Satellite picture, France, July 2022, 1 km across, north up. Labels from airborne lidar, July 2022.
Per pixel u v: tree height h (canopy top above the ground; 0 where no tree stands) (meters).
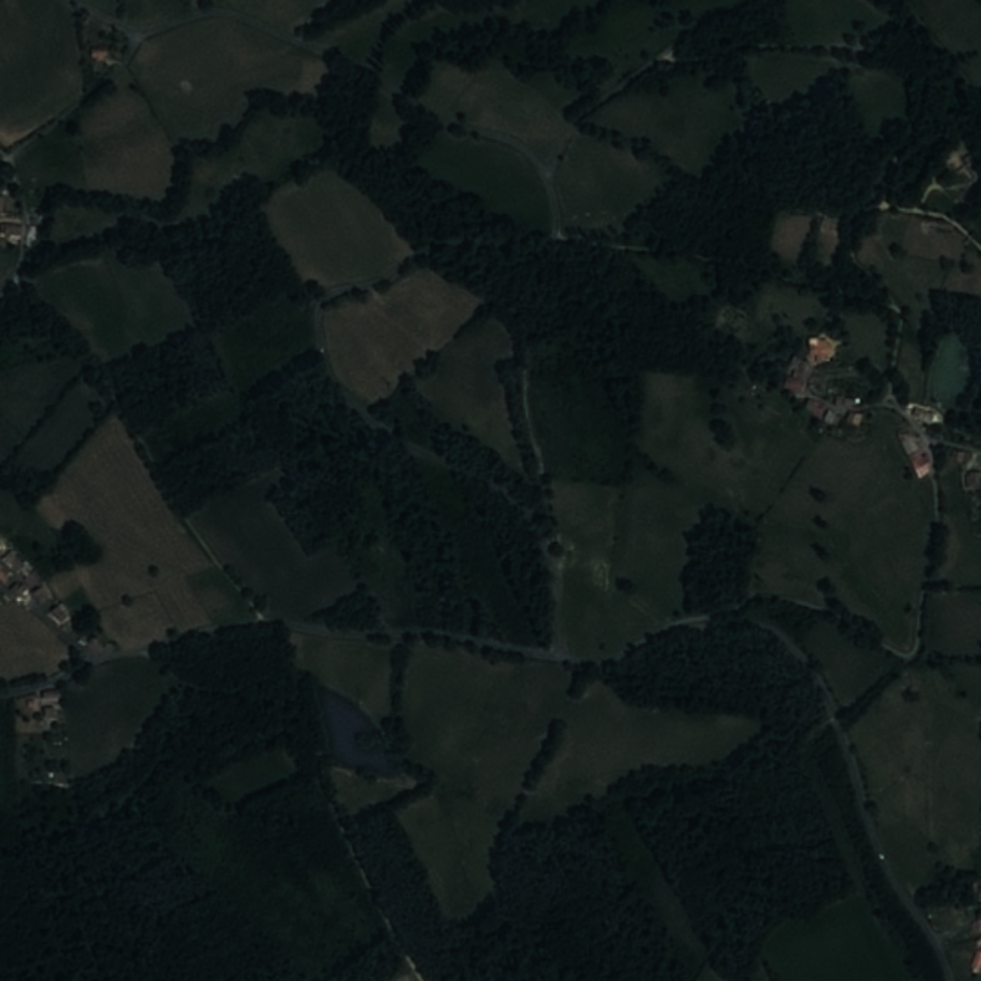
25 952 12
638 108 0
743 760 28
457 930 29
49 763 8
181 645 16
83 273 0
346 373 0
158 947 21
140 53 0
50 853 22
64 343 12
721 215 17
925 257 0
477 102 0
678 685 11
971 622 0
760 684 15
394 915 26
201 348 22
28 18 0
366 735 6
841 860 17
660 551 0
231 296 22
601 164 0
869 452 0
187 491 16
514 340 7
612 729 0
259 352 0
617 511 0
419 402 17
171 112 0
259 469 21
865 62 20
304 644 0
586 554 0
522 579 18
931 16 0
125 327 0
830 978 0
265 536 0
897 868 0
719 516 21
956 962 0
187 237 18
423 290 0
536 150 0
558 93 0
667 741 0
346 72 21
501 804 0
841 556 0
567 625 0
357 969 27
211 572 0
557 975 24
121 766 18
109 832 26
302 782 17
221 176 0
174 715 19
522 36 16
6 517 0
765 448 0
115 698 0
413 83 17
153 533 0
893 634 0
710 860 13
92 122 0
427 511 10
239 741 22
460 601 24
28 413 0
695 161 0
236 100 0
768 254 13
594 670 15
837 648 0
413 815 0
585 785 0
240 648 18
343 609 11
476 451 23
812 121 34
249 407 19
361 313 0
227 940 12
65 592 0
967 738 0
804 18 0
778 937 0
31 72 0
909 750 0
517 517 22
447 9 15
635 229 12
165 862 24
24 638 0
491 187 0
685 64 12
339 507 24
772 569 0
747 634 23
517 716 0
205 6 14
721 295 12
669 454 0
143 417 17
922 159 6
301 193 0
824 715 15
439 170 0
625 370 16
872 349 0
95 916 20
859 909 0
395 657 10
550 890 22
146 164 0
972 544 0
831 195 27
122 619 0
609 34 0
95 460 0
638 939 12
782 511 0
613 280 24
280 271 15
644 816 23
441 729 0
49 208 23
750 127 14
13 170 15
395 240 0
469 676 0
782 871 25
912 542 0
